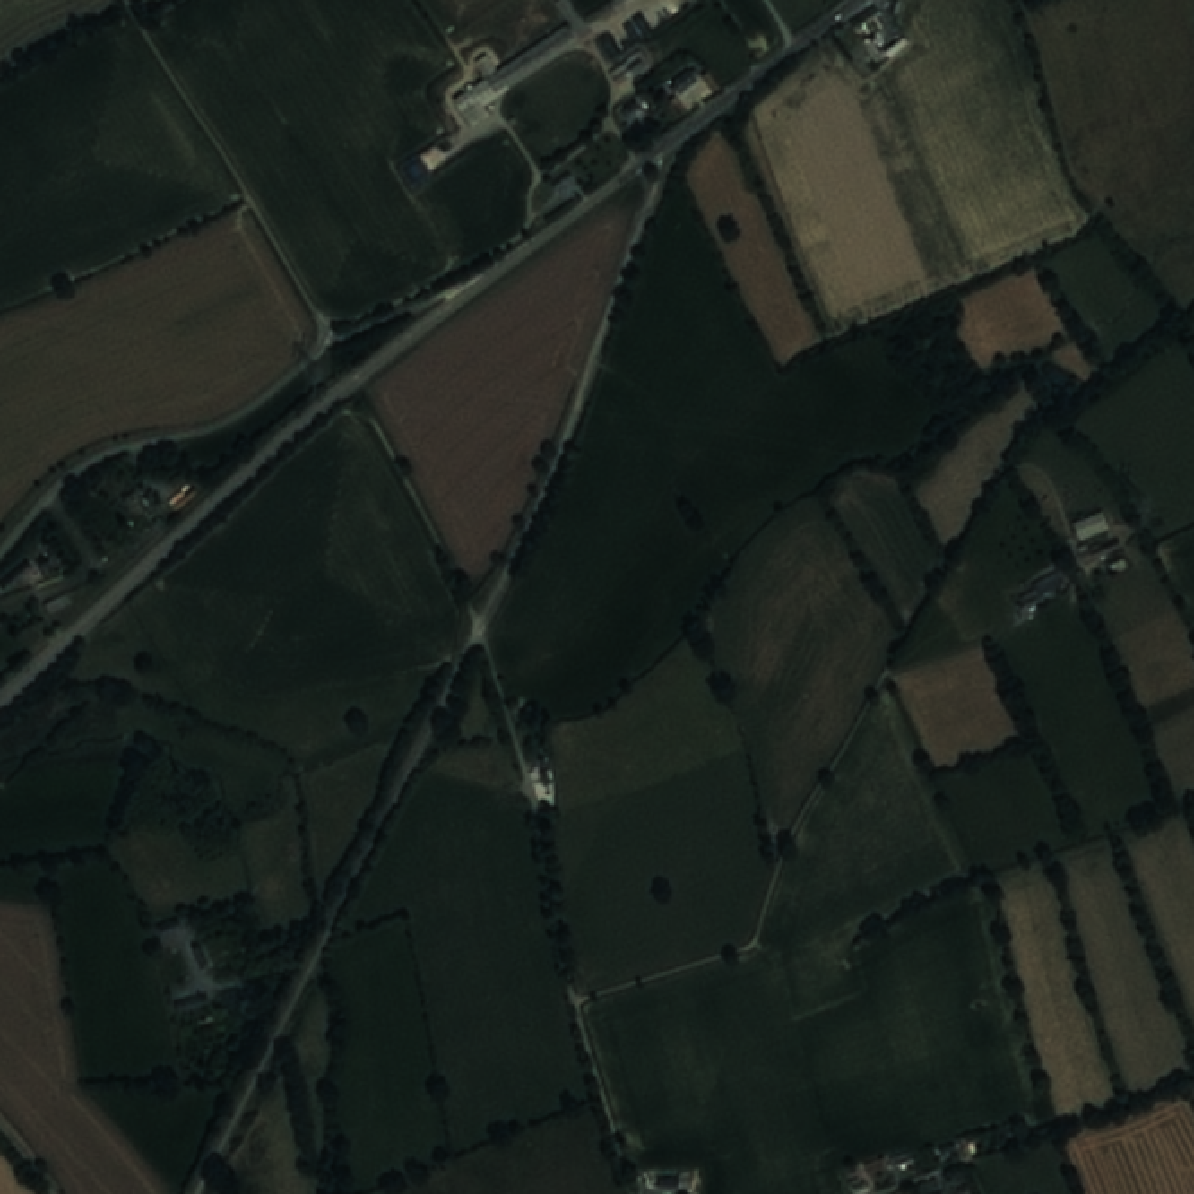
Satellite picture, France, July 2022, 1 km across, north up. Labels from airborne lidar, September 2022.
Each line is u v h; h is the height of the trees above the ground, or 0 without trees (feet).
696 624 52
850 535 22
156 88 0
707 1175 0
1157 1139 0
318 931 43
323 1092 51
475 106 0
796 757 0
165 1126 0
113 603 0
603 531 0
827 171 0
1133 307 0
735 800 0
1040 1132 28
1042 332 0
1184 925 0
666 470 0
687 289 0
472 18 0
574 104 0
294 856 0
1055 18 0
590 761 0
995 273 24
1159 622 0
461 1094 0
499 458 0
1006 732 0
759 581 0
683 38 0
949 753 0
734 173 0
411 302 19
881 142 0
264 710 0
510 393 0
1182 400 0
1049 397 52
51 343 0
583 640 0
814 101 0
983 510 47
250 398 0
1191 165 0
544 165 25
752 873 0
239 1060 66
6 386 0
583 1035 31
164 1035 0
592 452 0
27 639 0
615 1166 27
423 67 0
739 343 0
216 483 45
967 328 0
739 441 0
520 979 0
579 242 0
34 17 0
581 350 0
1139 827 72
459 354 0
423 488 0
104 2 0
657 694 0
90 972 0
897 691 43
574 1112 71
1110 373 32
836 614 0
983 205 0
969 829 0
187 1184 21
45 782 0
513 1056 0
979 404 34
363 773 0
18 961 0
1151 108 0
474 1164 0
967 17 0
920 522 25
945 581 45
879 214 0
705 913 0
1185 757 0
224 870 0
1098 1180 0
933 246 0
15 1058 0
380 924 26
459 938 0
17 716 31
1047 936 0
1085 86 0
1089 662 0
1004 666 46
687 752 0
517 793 0
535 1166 0
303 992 0
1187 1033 29
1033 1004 0
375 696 0
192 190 0
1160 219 0
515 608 0
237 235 0
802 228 0
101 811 0
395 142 0
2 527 24
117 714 0
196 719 45
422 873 0
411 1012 0
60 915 27
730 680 52
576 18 0
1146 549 24
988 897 48
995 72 0
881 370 0
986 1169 0
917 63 0
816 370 0
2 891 0
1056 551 22
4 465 0
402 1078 0
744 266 0
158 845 0
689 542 0
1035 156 0
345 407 24
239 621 0
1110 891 0
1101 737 0
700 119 0
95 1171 0
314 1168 47
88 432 0
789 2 0
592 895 0
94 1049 0
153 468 34
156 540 0
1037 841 0
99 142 0
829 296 0
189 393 0
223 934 24
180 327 0
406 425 0
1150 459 0
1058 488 0
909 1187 37
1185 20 0
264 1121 0
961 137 0
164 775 86
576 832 0
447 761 0
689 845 0
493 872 0
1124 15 0
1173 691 0
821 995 0
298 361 0
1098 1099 0
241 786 0
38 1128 0
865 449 0
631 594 0
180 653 0
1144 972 0
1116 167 0
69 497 28
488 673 26
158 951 61
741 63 0
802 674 0
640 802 0
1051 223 0
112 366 0
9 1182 0
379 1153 0
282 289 0
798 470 0
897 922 30
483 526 0
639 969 0
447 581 38
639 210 0
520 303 0
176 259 0
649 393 0
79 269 0
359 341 37
